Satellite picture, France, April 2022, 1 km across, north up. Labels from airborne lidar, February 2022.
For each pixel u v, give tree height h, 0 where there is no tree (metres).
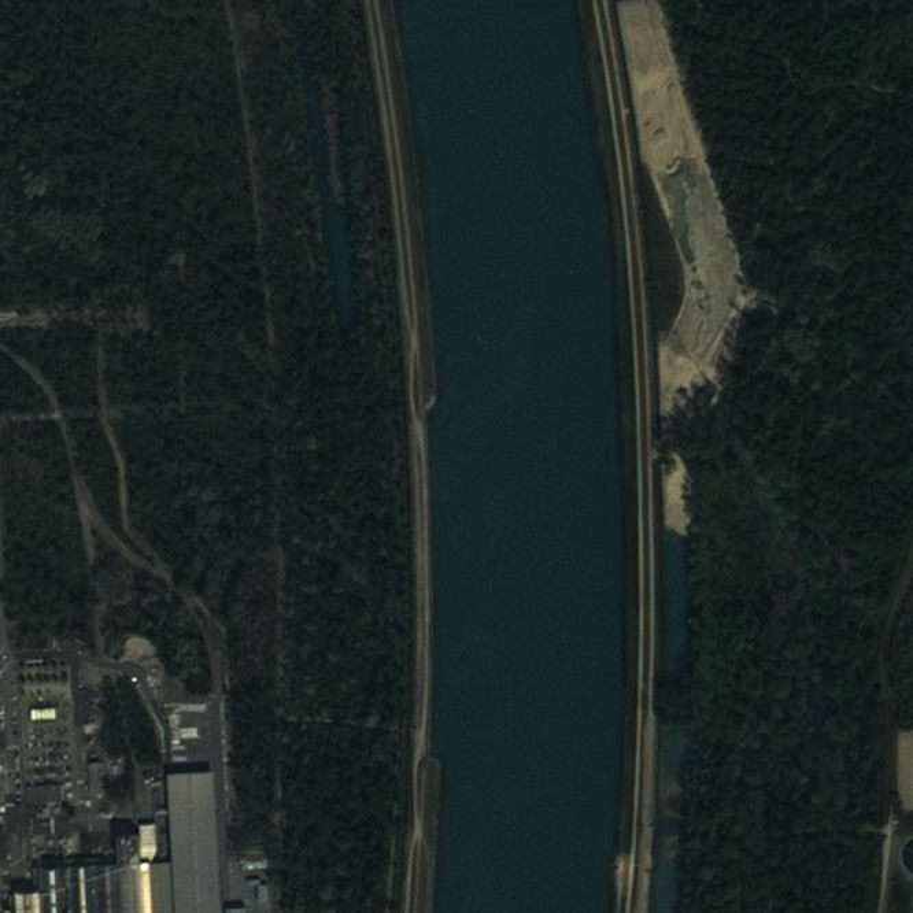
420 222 0
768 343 28
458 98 0
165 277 18
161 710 0
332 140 0
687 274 0
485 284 0
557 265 0
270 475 20
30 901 0
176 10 16
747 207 0
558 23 0
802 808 25
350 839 23
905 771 0
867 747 23
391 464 20
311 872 13
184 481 17
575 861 0
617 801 0
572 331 0
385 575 21
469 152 0
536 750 0
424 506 0
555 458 0
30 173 22
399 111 0
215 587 23
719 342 0
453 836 0
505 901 0
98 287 22
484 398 0
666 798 0
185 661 12
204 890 0
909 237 24
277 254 12
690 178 0
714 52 22
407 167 0
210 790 0
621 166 0
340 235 0
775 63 16
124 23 14
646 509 0
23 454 0
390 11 0
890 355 9
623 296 0
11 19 18
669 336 0
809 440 18
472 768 0
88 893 0
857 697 17
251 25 0
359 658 0
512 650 0
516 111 0
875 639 20
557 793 0
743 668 27
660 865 0
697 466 31
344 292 0
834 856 24
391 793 23
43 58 15
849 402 22
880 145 8
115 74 6
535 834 0
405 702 8
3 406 8
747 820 33
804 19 20
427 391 0
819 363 21
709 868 31
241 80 0
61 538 6
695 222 0
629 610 0
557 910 0
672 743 0
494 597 0
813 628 35
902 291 8
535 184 0
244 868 0
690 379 0
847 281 23
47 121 16
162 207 14
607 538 0
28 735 0
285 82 16
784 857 26
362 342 15
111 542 0
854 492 0
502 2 0
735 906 29
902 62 9
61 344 17
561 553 0
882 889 0
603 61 0
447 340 0
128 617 0
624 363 0
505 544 0
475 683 0
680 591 0
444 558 0
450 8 0
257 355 12
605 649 0
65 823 0
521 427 0
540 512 0
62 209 20
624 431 0
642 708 0
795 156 20
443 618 0
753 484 36
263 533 30
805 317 26
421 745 0
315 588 16
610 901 0
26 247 14
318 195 14
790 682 39
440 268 0
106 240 22
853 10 0
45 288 19
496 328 0
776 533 36
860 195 20
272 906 0
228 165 12
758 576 0
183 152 12
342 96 15
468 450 0
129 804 0
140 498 17
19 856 0
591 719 0
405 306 0
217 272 20
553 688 0
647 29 0
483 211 0
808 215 19
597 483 0
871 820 20
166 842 0
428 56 0
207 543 27
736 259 0
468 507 0
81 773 0
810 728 0
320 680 17
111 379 14
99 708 0
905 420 24
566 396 0
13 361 11
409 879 0
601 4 0
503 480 0
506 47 0
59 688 0
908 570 0
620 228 0
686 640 0
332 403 19
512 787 0
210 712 0
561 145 0
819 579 21
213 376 18
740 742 14
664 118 0
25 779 0
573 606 0
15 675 0
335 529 22
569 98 0
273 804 15
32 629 16
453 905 0
